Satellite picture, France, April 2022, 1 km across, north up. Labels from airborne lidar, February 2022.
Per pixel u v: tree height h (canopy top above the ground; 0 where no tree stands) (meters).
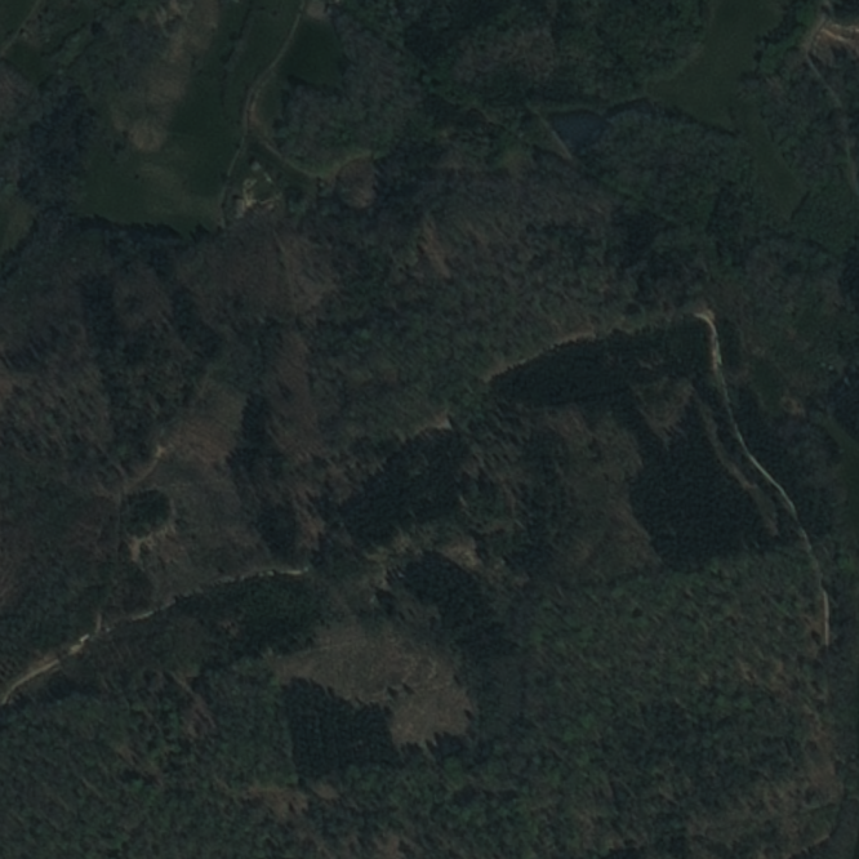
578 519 10
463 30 12
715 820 23
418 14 25
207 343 20
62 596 24
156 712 8
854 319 9
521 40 19
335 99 24
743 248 17
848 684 29
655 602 23
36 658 9
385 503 29
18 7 0
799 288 20
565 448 15
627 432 17
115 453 28
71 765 28
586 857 20
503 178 0
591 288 26
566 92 10
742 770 24
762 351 0
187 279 22
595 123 0
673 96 0
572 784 29
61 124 26
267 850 17
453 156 28
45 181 22
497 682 17
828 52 0
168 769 28
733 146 24
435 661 0
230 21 0
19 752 26
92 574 13
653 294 18
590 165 14
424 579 26
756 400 16
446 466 21
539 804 27
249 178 0
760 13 0
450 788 29
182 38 0
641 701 22
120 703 25
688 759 19
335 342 19
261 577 10
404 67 20
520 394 11
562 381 10
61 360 22
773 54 21
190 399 11
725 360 10
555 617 28
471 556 0
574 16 10
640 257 20
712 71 0
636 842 8
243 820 22
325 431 17
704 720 22
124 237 22
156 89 0
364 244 8
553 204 31
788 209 0
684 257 16
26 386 0
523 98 15
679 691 21
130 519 8
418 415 26
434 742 0
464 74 25
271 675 26
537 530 13
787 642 24
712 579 25
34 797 29
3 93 27
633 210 25
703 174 11
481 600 29
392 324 22
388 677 0
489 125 10
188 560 0
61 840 27
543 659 31
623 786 23
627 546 14
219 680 28
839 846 24
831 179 21
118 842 26
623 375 11
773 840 13
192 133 0
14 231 0
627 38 15
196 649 17
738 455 25
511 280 30
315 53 0
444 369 28
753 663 21
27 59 0
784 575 24
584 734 22
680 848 17
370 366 25
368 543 29
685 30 16
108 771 25
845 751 24
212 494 0
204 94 0
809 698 28
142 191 0
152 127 0
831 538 25
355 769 25
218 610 9
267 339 19
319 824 26
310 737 19
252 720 27
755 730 18
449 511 21
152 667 11
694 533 21
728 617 25
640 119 27
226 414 0
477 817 30
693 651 23
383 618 18
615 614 22
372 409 26
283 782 25
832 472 25
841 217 9
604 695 23
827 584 20
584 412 15
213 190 0
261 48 0
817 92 28
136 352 19
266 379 21
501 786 27
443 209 30
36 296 20
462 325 29
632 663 23
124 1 7
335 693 0
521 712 14
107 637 10
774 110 25
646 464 19
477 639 12
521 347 25
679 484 23
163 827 28
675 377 9
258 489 22
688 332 11
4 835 28
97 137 27
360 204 0
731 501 21
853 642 25
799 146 22
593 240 29
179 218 0
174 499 0
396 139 20
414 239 27
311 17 0
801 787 27
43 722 27
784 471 19
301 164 17
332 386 29
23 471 22
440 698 0
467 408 22
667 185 24
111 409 21
